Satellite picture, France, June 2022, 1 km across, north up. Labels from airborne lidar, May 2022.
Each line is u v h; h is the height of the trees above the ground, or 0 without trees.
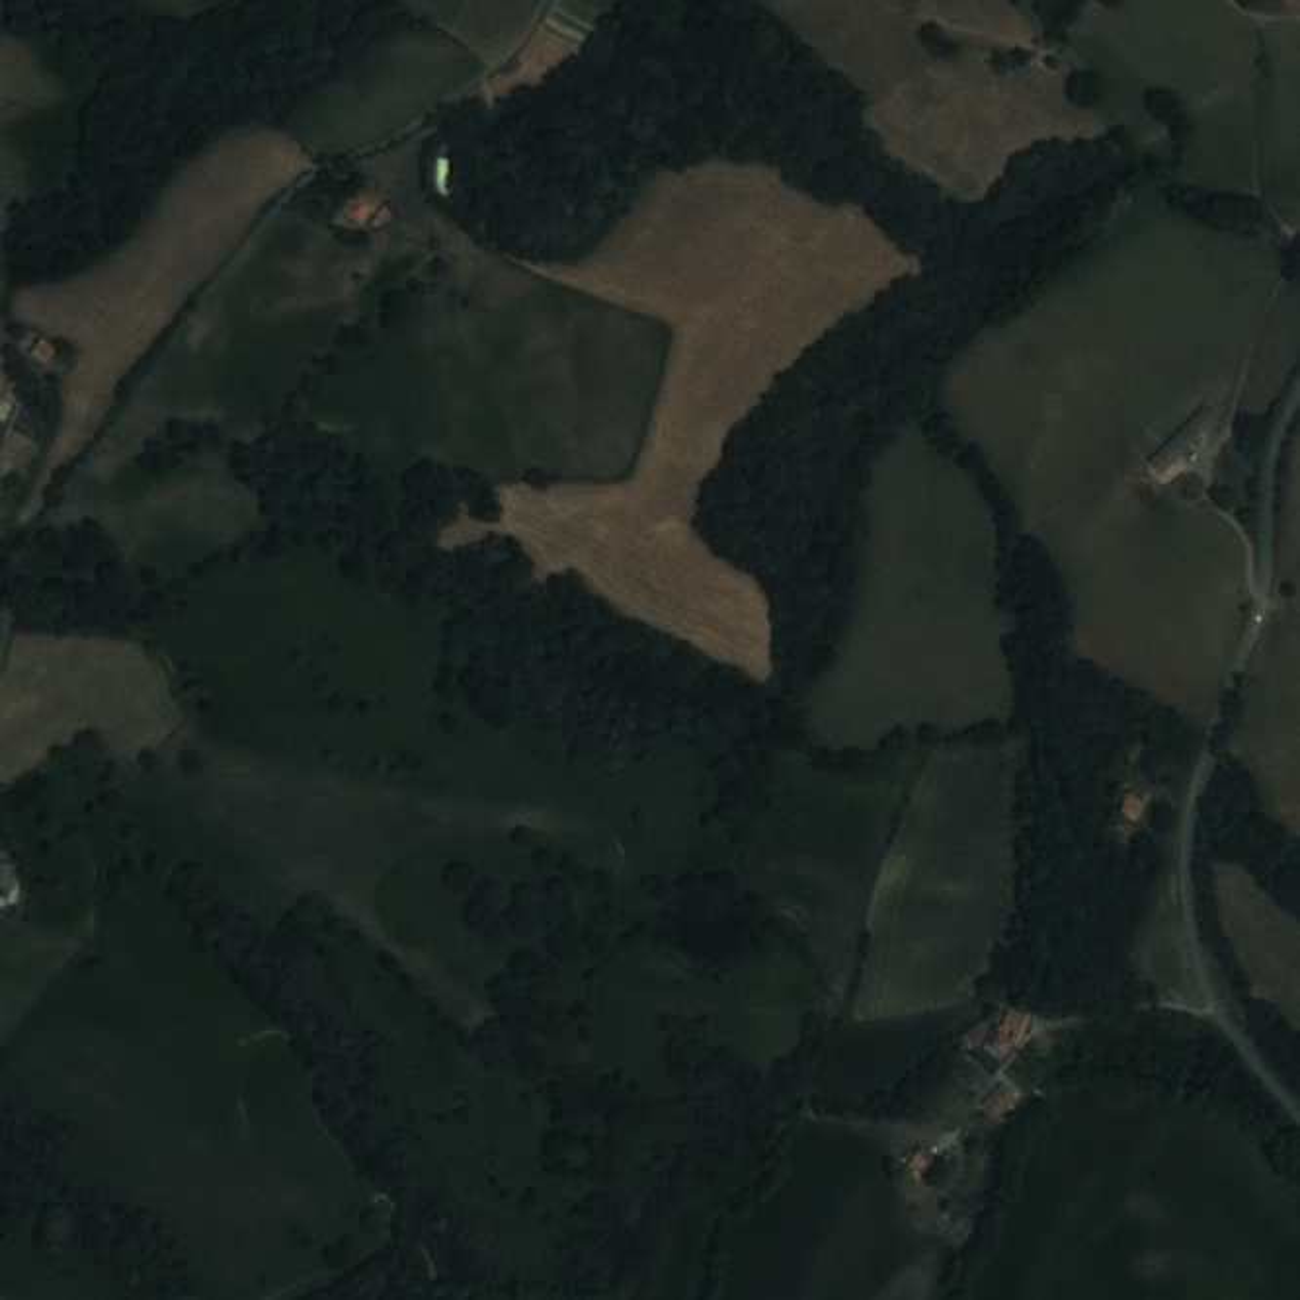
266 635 0
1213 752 13
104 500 0
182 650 0
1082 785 15
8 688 0
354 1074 13
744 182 0
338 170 9
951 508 0
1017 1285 0
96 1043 0
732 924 22
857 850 0
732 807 25
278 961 11
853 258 0
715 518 15
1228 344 0
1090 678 25
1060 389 0
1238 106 0
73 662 0
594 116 23
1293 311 0
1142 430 0
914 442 0
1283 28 0
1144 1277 0
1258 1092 15
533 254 10
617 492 0
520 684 22
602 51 20
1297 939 0
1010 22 0
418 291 17
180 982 0
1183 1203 0
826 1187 0
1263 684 0
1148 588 0
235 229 0
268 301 0
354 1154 9
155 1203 0
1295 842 10
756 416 8
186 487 0
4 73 0
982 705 0
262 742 0
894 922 0
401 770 9
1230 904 0
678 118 24
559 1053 0
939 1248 0
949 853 0
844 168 26
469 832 0
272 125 6
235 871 0
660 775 0
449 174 18
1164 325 0
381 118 0
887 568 0
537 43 0
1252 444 13
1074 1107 0
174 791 0
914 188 23
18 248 19
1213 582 0
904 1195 0
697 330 0
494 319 0
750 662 0
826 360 14
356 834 0
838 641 15
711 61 11
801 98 8
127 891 19
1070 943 16
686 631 0
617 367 0
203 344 0
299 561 0
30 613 19
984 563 0
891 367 22
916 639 0
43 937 0
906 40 0
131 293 0
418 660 0
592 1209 14
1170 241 0
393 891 0
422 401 0
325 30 14
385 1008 0
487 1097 0
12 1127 11
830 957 0
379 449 0
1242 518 10
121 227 21
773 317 0
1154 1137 0
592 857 0
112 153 20
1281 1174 19
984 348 0
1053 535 0
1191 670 0
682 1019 7
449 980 0
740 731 9
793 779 0
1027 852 22
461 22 0
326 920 6
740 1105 9
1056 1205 0
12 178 0
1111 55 0
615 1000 0
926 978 0
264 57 15
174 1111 0
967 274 29
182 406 0
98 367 0
